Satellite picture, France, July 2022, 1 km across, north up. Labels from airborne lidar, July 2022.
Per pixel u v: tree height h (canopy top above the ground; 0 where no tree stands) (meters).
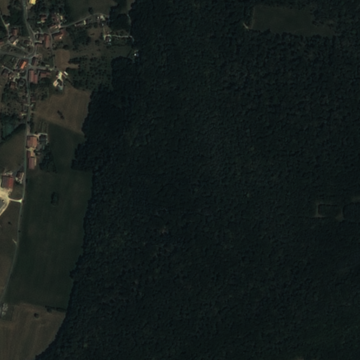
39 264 0
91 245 17
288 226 16
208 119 16
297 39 24
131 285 20
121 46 6
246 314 22
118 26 20
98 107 17
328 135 20
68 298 0
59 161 0
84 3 0
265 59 19
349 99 23
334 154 19
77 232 0
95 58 6
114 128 25
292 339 21
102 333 16
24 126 15
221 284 18
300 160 18
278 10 0
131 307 21
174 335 18
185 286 22
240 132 18
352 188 19
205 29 17
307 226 19
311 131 19
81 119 0
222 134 11
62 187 0
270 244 21
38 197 0
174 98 21
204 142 16
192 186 16
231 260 20
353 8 18
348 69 20
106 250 15
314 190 16
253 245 19
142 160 20
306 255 22
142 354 14
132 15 16
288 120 18
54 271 0
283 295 23
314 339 18
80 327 23
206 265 22
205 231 25
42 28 10
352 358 21
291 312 19
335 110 19
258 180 19
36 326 0
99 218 18
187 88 18
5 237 0
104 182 26
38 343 0
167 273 21
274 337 22
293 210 17
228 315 20
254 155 15
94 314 17
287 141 13
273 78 20
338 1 15
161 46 16
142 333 19
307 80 18
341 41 20
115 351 18
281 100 12
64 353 22
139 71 24
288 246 14
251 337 22
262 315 23
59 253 0
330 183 14
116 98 25
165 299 21
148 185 18
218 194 15
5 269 0
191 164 20
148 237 21
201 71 14
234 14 19
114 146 26
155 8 24
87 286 20
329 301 15
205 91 17
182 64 19
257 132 19
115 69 18
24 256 0
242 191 16
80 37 9
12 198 0
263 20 0
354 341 22
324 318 19
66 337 22
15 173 0
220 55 17
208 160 16
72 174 0
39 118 0
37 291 0
